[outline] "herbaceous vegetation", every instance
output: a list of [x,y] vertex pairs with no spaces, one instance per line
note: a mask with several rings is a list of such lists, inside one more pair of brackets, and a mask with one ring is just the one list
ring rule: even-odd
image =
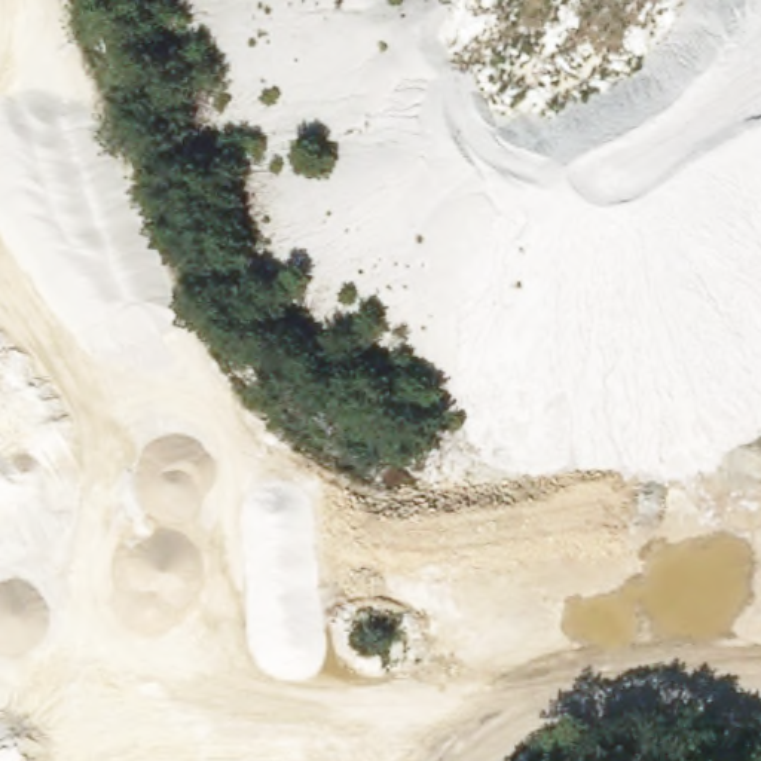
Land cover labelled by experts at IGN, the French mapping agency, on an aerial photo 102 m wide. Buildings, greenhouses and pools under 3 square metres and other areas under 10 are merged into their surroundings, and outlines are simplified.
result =
[[193,74],[202,95],[214,98],[217,110],[226,110],[229,80],[223,59],[214,71]]
[[508,755],[508,761],[550,761],[550,749],[571,746],[583,725],[574,722],[553,702],[559,719],[553,725],[532,731],[529,740],[523,740]]
[[86,71],[95,80],[98,92],[119,71],[119,56],[107,48],[107,39],[113,36],[113,21],[92,0],[68,0],[71,36],[83,54]]
[[101,122],[95,128],[95,140],[107,155],[131,163],[146,149],[149,134],[143,125],[125,122],[104,107]]

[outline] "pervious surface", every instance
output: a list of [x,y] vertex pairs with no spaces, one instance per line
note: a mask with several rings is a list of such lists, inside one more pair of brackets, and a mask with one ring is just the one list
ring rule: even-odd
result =
[[[285,443],[279,434],[268,431],[265,419],[247,410],[232,392],[232,383],[241,378],[247,383],[256,383],[256,372],[247,366],[229,369],[223,375],[220,366],[211,360],[205,342],[199,342],[196,333],[175,324],[175,276],[163,265],[161,253],[149,247],[143,214],[131,199],[131,163],[107,155],[95,140],[95,128],[101,122],[104,107],[104,98],[98,92],[95,80],[86,71],[83,54],[71,36],[68,0],[0,0],[0,761],[508,761],[508,755],[523,740],[529,740],[532,731],[553,725],[559,719],[553,702],[574,722],[583,725],[615,719],[627,710],[642,707],[675,713],[681,719],[699,716],[702,725],[713,731],[713,740],[690,752],[690,761],[761,761],[761,0],[187,0],[190,27],[205,27],[214,45],[220,48],[223,59],[229,80],[226,110],[217,110],[214,98],[202,95],[199,122],[205,128],[250,125],[259,128],[268,140],[262,161],[250,166],[247,178],[250,214],[259,229],[259,253],[271,253],[279,262],[288,259],[294,250],[303,250],[309,256],[312,276],[306,285],[306,309],[315,321],[360,312],[369,297],[378,297],[386,309],[381,348],[410,345],[416,357],[443,372],[452,404],[464,410],[464,425],[458,431],[443,431],[440,446],[428,455],[410,458],[407,470],[369,470],[369,485],[351,482],[348,476],[333,470],[321,470],[312,458],[297,455],[291,443]],[[297,140],[300,128],[312,122],[324,125],[339,149],[336,166],[324,178],[306,178],[291,166],[291,143]],[[401,630],[386,654],[363,657],[351,648],[351,627],[354,621],[363,621],[375,612],[392,615],[401,624]]]

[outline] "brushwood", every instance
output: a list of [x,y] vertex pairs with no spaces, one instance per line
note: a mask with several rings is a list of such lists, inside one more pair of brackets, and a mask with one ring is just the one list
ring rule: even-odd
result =
[[375,612],[363,621],[354,621],[351,627],[351,648],[363,657],[386,654],[401,630],[401,624],[392,615]]
[[291,166],[306,178],[324,178],[336,166],[339,149],[324,125],[312,122],[300,128],[297,140],[291,143]]

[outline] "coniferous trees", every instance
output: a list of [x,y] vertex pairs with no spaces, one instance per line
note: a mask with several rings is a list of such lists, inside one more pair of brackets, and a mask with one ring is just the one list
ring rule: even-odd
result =
[[583,725],[571,746],[550,749],[550,761],[690,761],[690,752],[713,740],[713,731],[702,725],[699,716],[681,719],[675,713],[642,707],[627,710],[615,719]]
[[199,122],[202,95],[193,74],[214,71],[223,59],[220,48],[214,45],[205,27],[190,27],[187,0],[92,0],[113,21],[113,36],[107,39],[107,48],[119,56],[119,71],[98,92],[104,98],[104,107],[125,122],[143,125],[149,134],[146,149],[131,163],[131,199],[143,214],[149,247],[161,253],[163,265],[175,276],[175,324],[196,333],[199,342],[205,342],[211,360],[220,366],[223,375],[229,369],[247,366],[256,372],[256,383],[247,383],[241,378],[232,383],[232,392],[247,410],[265,419],[268,431],[279,434],[285,443],[291,443],[297,455],[312,458],[321,470],[333,470],[348,476],[351,482],[369,485],[369,470],[407,470],[410,458],[428,455],[440,446],[443,431],[458,431],[464,425],[464,410],[452,404],[443,372],[416,357],[410,345],[381,348],[386,309],[378,297],[369,297],[360,312],[315,321],[306,309],[306,285],[312,276],[309,256],[303,250],[294,250],[288,259],[279,262],[271,253],[259,253],[259,229],[250,214],[247,178],[250,166],[262,161],[268,140],[259,128],[250,125],[205,128]]

